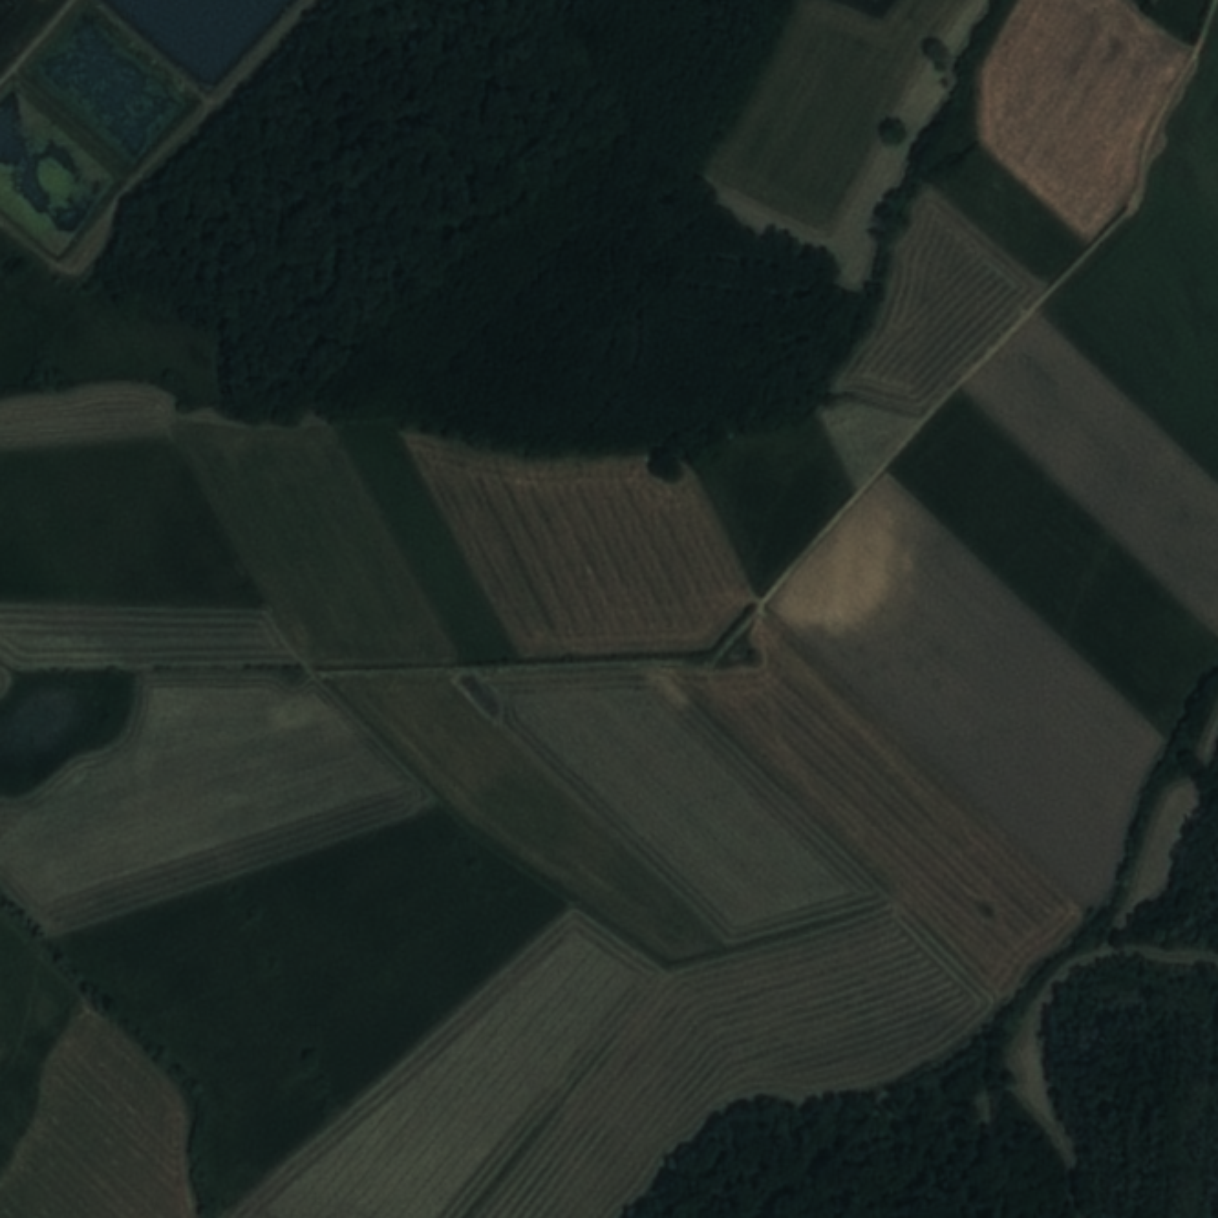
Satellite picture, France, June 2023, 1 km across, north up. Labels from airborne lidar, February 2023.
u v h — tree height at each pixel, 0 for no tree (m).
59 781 0
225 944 0
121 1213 0
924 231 0
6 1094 0
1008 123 0
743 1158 27
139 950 0
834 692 0
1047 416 0
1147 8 9
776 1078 0
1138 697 0
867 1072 0
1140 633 0
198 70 0
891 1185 12
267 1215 0
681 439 19
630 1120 0
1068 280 0
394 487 0
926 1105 22
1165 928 15
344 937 0
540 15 25
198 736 0
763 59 14
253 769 0
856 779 0
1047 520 0
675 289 19
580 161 21
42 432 0
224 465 0
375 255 29
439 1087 0
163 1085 0
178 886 0
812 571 0
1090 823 0
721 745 0
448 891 0
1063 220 0
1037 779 0
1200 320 0
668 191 15
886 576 0
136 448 0
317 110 29
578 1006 0
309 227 29
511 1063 0
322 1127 0
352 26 25
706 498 0
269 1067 0
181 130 0
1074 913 0
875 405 0
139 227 25
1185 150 0
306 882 0
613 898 0
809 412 6
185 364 0
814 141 0
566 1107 0
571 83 24
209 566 0
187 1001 0
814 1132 25
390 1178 0
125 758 0
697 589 0
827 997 0
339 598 0
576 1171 0
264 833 0
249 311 25
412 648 0
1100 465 0
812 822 0
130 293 10
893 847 0
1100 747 0
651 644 0
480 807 0
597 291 20
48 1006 0
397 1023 0
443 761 0
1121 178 0
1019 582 0
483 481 0
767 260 19
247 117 24
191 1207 0
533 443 16
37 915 0
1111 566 0
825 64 0
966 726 0
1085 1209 15
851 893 0
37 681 0
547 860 0
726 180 0
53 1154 0
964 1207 26
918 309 0
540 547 0
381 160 23
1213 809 19
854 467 0
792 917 0
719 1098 0
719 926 0
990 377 0
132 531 0
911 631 0
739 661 0
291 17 0
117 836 0
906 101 0
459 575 0
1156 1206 17
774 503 0
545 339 19
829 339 12
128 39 0
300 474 0
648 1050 0
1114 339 0
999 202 0
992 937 0
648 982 0
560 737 0
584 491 0
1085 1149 10
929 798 0
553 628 0
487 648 0
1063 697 0
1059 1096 19
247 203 31
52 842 0
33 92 0
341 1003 0
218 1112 0
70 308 0
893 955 0
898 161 0
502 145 30
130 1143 0
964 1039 0
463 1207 0
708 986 0
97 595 0
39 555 0
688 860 0
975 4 0
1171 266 0
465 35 26
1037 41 0
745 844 0
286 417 18
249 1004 0
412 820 0
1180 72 0
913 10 0
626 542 0
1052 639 0
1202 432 0
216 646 0
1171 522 0
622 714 0
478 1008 0
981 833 0
